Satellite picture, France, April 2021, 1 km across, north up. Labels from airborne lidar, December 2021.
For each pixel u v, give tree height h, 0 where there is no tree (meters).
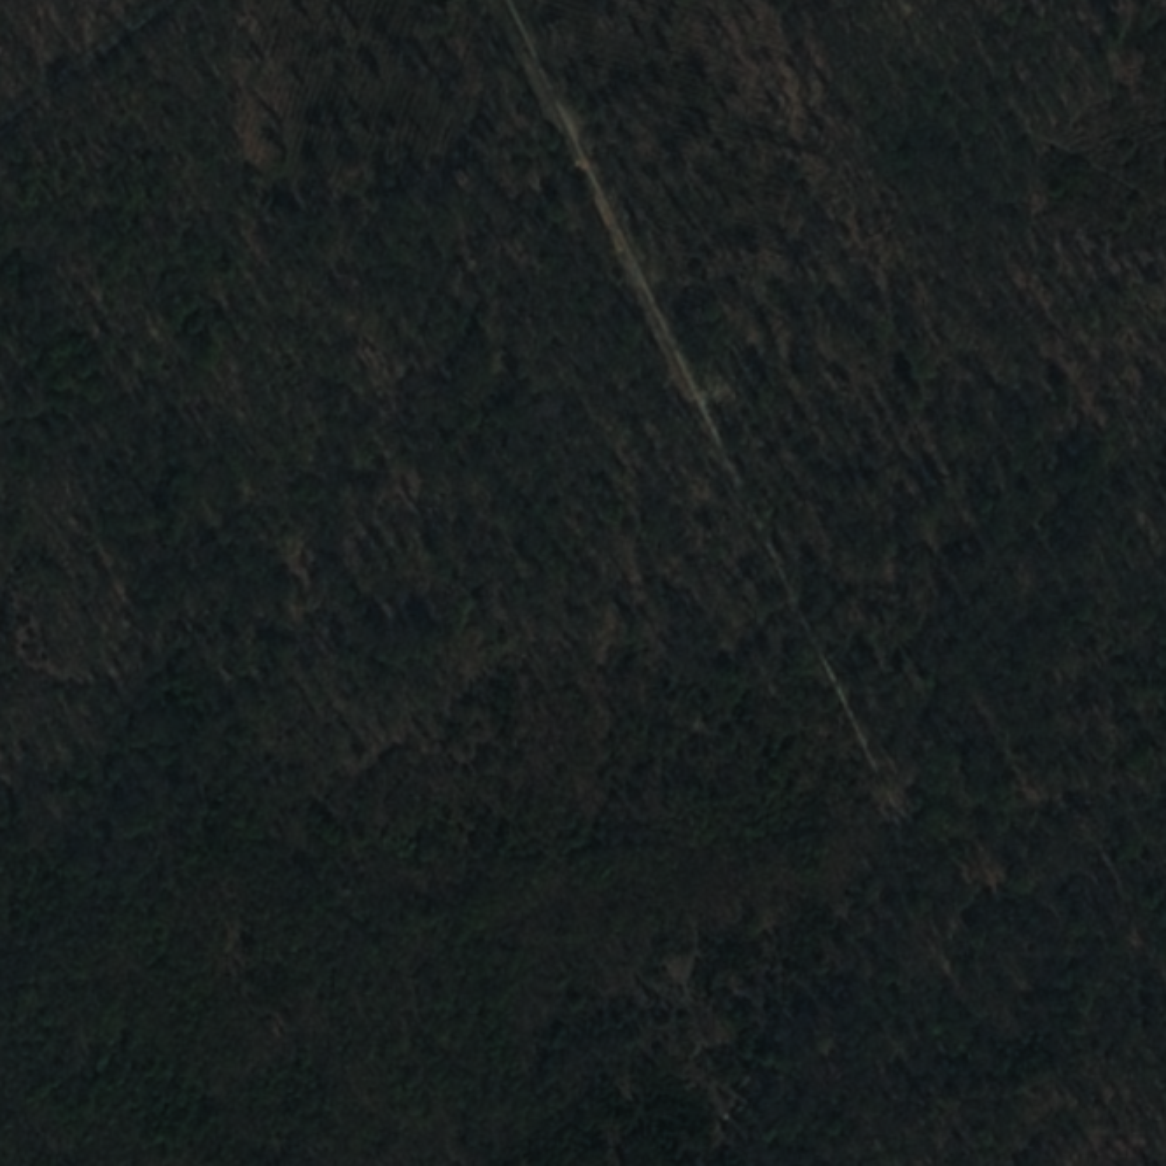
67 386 24
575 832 24
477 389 33
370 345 0
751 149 36
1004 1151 26
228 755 25
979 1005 31
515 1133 17
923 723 10
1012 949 29
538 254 37
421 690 38
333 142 0
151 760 33
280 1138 11
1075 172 12
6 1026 24
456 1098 23
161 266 29
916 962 31
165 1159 20
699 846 18
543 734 15
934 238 33
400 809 20
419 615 42
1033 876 25
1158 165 12
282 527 30
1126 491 33
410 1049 22
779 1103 28
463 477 37
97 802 36
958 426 40
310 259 32
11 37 31
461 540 35
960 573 41
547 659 19
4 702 25
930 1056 30
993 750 36
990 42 30
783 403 39
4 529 31
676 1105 9
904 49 28
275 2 0
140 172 31
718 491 37
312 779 23
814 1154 28
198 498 36
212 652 29
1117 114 11
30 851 25
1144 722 25
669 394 32
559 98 0
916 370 20
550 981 13
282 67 0
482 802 11
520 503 40
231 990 13
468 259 24
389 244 37
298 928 27
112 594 16
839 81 34
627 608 37
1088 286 35
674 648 17
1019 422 36
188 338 36
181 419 35
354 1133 21
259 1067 17
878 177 33
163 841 23
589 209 36
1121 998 32
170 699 21
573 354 33
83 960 22
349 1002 21
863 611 36
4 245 31
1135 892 30
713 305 38
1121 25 35
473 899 23
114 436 36
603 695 18
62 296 34
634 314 36
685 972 0
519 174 36
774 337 35
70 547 29
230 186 31
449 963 25
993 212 33
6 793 36
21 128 29
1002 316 33
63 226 28
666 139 0
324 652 34
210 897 25
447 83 0
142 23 25
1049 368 21
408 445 33
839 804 17
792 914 13
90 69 19
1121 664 20
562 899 16
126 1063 26
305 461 25
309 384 28
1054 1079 23
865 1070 30
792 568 37
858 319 11
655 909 19
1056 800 30
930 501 44
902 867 29
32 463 33
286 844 29
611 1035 17
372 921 26
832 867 20
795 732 7
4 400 35
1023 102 34
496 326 35
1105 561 33
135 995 22
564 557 41
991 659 41
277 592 31
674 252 0
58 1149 25
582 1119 19
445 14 36
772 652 30
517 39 0
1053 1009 30
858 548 37
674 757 17
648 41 32
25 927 23
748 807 25
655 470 33
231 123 32
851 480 38
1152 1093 11
